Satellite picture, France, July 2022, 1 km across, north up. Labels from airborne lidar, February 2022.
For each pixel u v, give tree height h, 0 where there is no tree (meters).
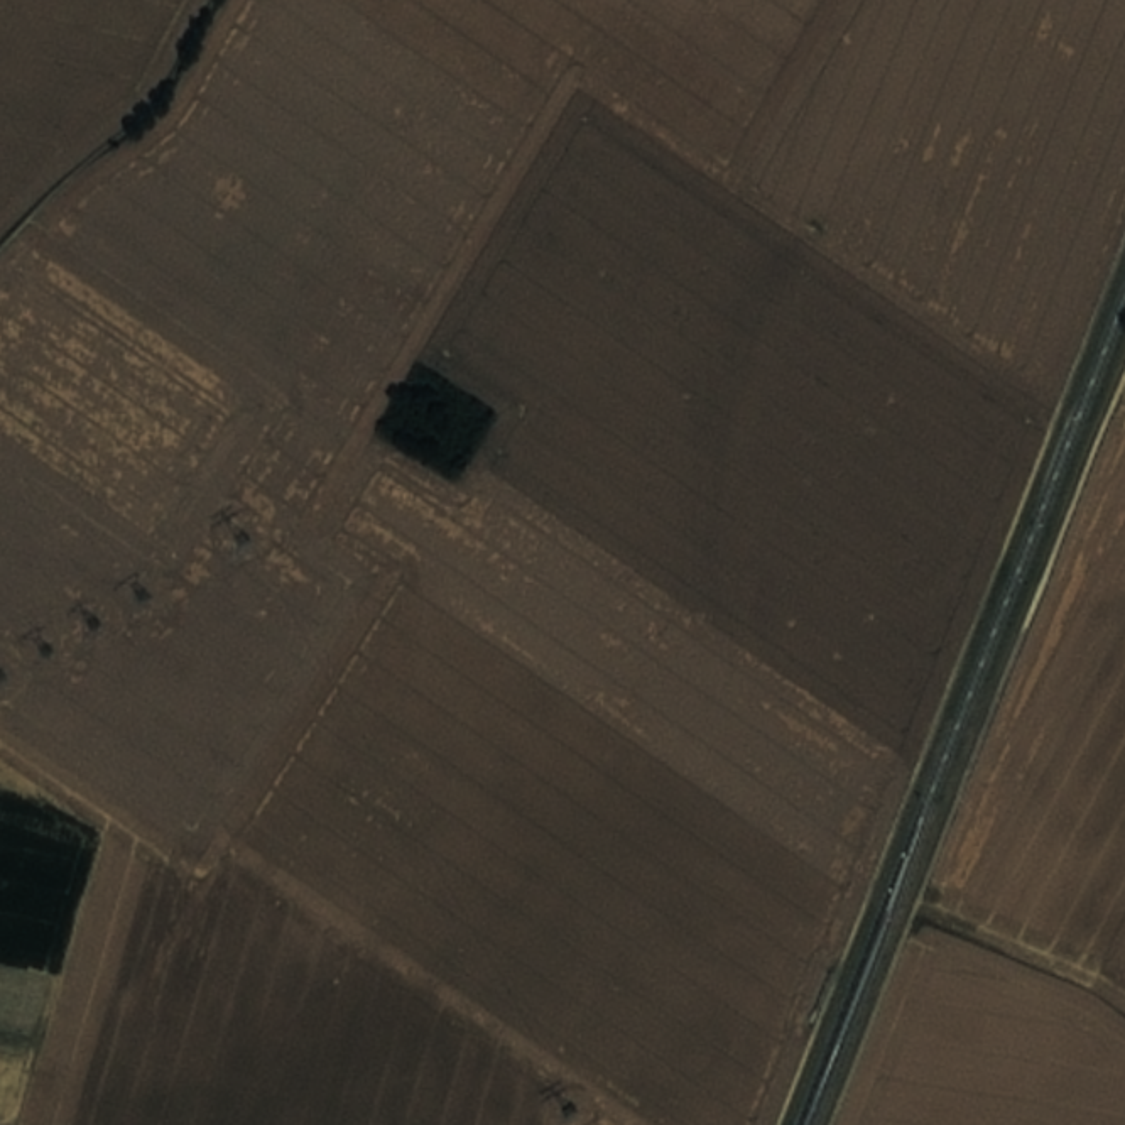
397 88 0
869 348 0
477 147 0
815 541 0
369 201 0
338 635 0
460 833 0
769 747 0
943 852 0
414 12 0
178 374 0
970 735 0
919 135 0
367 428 0
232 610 0
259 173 0
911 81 0
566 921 0
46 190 0
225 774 0
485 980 0
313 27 0
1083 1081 0
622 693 0
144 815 0
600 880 0
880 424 0
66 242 0
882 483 0
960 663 0
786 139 0
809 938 0
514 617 0
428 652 0
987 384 0
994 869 0
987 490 0
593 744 0
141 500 0
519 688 0
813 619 0
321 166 0
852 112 0
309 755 0
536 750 0
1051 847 0
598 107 0
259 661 0
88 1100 0
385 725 0
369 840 0
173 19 0
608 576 0
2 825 0
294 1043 0
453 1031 0
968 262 0
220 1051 0
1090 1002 0
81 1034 0
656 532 0
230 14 0
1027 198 0
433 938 0
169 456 0
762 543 0
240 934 0
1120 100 0
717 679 0
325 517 0
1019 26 0
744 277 0
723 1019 0
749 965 0
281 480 0
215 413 0
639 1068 0
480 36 0
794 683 0
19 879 0
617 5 0
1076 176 0
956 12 0
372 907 0
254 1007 0
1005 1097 0
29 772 0
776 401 0
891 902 0
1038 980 0
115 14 0
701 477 0
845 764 0
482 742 0
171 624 0
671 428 0
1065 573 0
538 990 0
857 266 0
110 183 0
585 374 0
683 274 0
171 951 0
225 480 0
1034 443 0
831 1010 0
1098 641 0
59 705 0
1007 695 0
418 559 0
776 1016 0
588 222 0
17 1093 0
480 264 0
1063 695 0
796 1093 0
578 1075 0
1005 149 0
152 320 0
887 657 0
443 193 0
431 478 0
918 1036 0
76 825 0
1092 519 0
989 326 0
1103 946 0
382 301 0
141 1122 0
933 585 0
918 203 0
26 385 0
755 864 0
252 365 0
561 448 0
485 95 0
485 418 7
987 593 0
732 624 0
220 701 0
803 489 0
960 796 0
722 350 0
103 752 0
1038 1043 0
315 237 0
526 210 0
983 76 0
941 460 0
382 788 0
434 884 0
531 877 0
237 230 0
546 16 0
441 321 0
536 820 0
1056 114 0
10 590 0
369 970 0
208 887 0
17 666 0
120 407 0
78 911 0
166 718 0
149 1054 0
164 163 0
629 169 0
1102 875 0
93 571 0
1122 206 0
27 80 0
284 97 0
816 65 0
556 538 0
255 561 0
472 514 0
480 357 0
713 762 0
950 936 0
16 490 0
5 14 0
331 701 0
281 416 0
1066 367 0
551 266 0
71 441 0
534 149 0
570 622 0
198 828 0
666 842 0
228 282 0
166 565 0
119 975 0
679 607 0
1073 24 0
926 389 0
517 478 0
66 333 0
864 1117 0
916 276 0
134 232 0
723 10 0
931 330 0
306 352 0
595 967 0
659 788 0
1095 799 0
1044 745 0
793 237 0
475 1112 0
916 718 0
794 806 0
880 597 0
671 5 0
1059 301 0
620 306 0
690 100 0
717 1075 0
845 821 0
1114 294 0
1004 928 0
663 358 0
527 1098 0
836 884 0
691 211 0
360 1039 0
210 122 0
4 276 0
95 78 0
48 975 0
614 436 0
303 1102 0
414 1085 0
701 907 0
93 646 0
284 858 0
